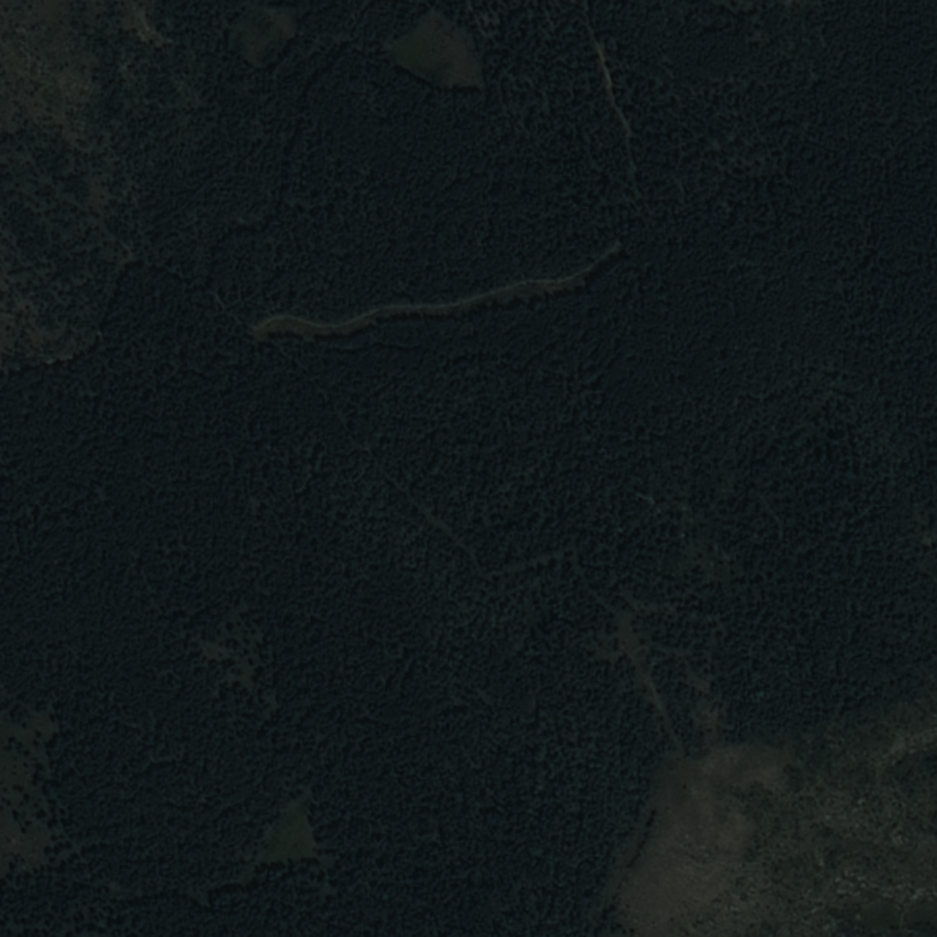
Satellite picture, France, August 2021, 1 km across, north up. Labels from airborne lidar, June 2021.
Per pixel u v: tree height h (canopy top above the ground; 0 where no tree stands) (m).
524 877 15
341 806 14
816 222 15
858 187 11
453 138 16
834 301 11
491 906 20
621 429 11
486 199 15
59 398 14
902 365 9
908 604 5
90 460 14
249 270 16
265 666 6
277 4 9
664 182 14
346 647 14
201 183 8
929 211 12
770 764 0
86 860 9
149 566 10
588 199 17
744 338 11
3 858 0
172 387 9
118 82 7
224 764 12
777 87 8
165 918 12
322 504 16
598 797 10
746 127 11
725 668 6
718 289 13
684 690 7
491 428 10
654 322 14
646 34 16
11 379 9
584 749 13
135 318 13
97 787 13
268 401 15
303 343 10
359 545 8
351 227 16
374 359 12
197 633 15
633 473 10
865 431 10
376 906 13
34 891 13
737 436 10
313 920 10
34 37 0
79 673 16
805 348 14
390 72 15
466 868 20
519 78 13
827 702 11
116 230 9
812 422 14
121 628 11
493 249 17
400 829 17
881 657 7
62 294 7
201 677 11
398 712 14
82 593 13
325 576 12
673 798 0
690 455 9
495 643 10
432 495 12
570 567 12
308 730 13
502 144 18
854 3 9
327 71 12
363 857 13
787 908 0
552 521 10
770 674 12
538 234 17
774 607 7
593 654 7
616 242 10
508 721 11
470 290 15
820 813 0
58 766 8
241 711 7
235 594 8
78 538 12
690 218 16
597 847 11
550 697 12
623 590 7
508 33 17
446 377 8
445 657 14
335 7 8
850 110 7
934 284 14
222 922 13
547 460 9
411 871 8
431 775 15
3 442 12
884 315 11
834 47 11
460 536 10
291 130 9
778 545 8
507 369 13
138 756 12
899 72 9
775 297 10
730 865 0
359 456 11
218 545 12
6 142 8
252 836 15
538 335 13
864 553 8
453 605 13
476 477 13
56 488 13
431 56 0
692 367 13
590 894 10
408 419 9
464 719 10
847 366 12
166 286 16
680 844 0
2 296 6
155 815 10
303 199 14
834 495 9
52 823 9
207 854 14
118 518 14
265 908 14
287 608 11
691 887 0
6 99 0
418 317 11
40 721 0
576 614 14
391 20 8
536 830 15
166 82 6
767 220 15
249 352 14
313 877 10
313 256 18
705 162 11
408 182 18
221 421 9
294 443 17
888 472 14
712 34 14
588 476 10
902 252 13
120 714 15
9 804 7
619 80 11
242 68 7
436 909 15
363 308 12
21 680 17
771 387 10
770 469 12
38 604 10
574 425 11
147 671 12
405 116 17
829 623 12
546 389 14
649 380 13
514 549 10
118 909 13
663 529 10
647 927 0
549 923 8
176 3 7
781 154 10
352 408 10
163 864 15
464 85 0
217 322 14
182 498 14
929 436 9
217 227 5
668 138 11
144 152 7
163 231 7
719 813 0
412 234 16
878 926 0
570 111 14
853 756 0
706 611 11
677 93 12
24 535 12
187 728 13
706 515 8
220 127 6
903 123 9
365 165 12
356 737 17
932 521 8
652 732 10
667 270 12
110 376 7
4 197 6
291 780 10
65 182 6
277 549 9
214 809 13
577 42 13
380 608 15
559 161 12
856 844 0
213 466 9
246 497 8
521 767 13
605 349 12
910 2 9
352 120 16
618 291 13
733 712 7
